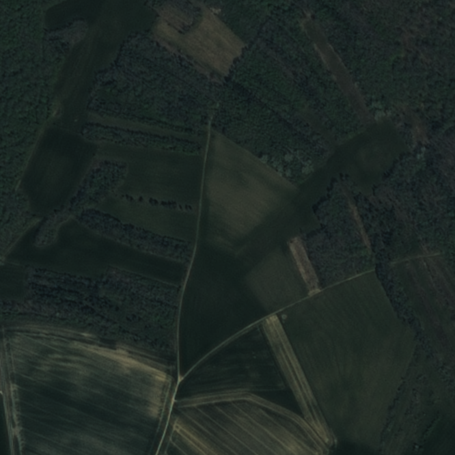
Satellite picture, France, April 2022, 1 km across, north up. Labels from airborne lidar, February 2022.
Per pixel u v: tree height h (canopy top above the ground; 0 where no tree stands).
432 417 0
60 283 18
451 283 0
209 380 0
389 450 0
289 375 0
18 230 25
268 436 0
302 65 25
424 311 0
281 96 20
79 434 0
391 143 0
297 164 21
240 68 22
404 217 0
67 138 0
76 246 0
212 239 0
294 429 0
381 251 19
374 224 24
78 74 0
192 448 0
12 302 0
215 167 0
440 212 16
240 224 0
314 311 0
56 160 0
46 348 0
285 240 0
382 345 0
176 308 6
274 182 0
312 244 22
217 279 0
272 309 0
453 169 19
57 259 0
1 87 21
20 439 0
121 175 17
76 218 8
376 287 0
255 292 0
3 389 0
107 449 0
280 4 22
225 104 17
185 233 0
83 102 0
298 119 22
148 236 20
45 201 0
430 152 25
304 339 0
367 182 0
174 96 20
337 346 0
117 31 0
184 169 0
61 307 8
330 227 20
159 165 0
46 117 20
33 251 0
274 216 0
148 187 0
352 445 0
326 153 20
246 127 11
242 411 0
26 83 25
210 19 0
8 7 23
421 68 26
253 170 0
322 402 0
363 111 0
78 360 0
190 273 0
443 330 0
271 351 0
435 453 0
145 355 0
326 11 26
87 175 0
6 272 0
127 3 0
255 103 25
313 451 0
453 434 0
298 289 0
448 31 29
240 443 0
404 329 0
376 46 18
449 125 25
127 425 0
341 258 27
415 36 28
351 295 0
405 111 0
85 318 20
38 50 23
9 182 22
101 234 16
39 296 19
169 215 0
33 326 0
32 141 18
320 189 0
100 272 0
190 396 0
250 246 0
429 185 17
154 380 0
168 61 18
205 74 0
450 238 24
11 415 0
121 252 0
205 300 0
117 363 0
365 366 0
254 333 0
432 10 28
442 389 0
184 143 14
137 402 0
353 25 24
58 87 0
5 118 21
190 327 0
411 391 0
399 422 0
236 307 0
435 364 23
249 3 17
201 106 22
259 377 0
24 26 27
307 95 19
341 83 0
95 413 0
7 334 0
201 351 0
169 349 17
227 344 0
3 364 0
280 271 0
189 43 0
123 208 0
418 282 0
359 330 0
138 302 7
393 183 21
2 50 26
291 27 25
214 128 14
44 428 0
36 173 0
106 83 15
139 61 20
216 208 0
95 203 22
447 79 27
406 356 0
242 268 0
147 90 20
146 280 9
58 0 21
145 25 0
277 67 17
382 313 0
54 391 0
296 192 0
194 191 0
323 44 0
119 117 15
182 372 0
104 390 0
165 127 16
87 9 0
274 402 0
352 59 20
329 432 0
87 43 0
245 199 0
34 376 0
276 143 10
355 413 0
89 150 0
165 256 15
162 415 0
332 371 0
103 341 0
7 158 21
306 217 0
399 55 25
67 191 0
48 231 21
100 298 12
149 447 0
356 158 0
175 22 0
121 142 12
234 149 0
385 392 0
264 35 19
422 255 0
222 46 0
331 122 18
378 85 20
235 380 0
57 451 0
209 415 0
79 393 0
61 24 0
